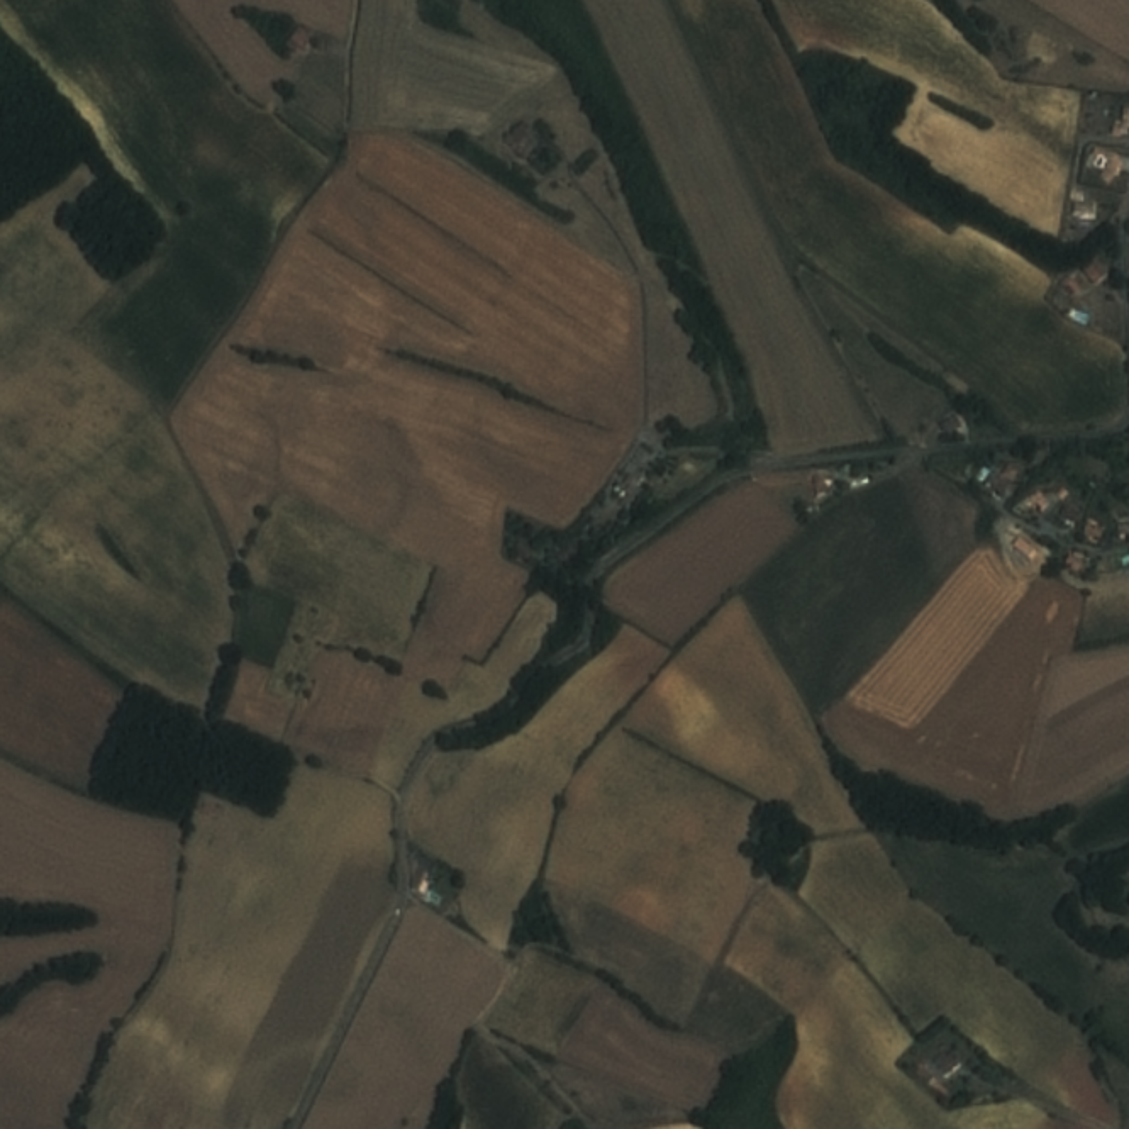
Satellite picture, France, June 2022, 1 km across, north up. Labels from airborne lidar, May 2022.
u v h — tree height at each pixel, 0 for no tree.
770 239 0
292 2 0
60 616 0
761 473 0
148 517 0
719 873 0
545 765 0
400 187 0
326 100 0
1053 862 0
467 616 0
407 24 0
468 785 0
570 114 0
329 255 0
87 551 0
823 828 0
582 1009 0
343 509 0
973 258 0
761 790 0
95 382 0
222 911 0
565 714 0
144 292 0
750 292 0
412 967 0
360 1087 0
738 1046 0
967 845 17
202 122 0
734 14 0
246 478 0
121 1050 0
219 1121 0
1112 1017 0
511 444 0
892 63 0
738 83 0
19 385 0
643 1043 0
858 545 0
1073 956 0
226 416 0
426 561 0
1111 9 0
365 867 0
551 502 0
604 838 0
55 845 0
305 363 12
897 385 0
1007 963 16
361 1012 0
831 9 0
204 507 0
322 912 0
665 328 0
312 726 0
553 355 0
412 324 0
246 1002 0
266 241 0
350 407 0
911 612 0
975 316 0
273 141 0
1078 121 0
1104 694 0
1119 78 0
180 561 0
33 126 17
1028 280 0
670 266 11
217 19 0
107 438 0
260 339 0
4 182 14
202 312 0
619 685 0
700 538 0
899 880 0
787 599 0
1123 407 0
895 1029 0
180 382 0
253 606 0
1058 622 0
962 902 0
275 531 0
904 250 0
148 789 18
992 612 0
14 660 0
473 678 0
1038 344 0
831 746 12
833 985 0
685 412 0
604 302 0
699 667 0
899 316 0
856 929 0
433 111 0
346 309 0
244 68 0
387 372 0
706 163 0
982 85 0
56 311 0
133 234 18
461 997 0
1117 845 0
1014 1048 0
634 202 10
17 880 0
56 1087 0
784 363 0
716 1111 11
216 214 0
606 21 0
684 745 0
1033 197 0
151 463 0
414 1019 0
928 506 0
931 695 0
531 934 10
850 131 10
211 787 12
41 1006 0
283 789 12
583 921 0
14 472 0
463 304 0
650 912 0
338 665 0
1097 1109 0
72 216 18
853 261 0
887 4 0
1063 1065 0
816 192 0
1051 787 0
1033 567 0
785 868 16
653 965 0
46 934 15
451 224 0
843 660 0
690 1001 0
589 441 0
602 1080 0
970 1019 0
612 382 0
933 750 0
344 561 0
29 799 0
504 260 0
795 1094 0
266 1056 0
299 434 0
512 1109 0
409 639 0
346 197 0
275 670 0
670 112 0
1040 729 0
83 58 0
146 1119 0
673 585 0
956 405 9
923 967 0
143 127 0
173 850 0
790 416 0
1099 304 0
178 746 16
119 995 0
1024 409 0
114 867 0
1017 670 0
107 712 0
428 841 0
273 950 0
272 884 0
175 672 0
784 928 0
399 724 0
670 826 0
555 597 7
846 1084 0
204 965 0
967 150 0
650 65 0
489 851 0
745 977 0
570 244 0
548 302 0
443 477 0
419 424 0
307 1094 0
